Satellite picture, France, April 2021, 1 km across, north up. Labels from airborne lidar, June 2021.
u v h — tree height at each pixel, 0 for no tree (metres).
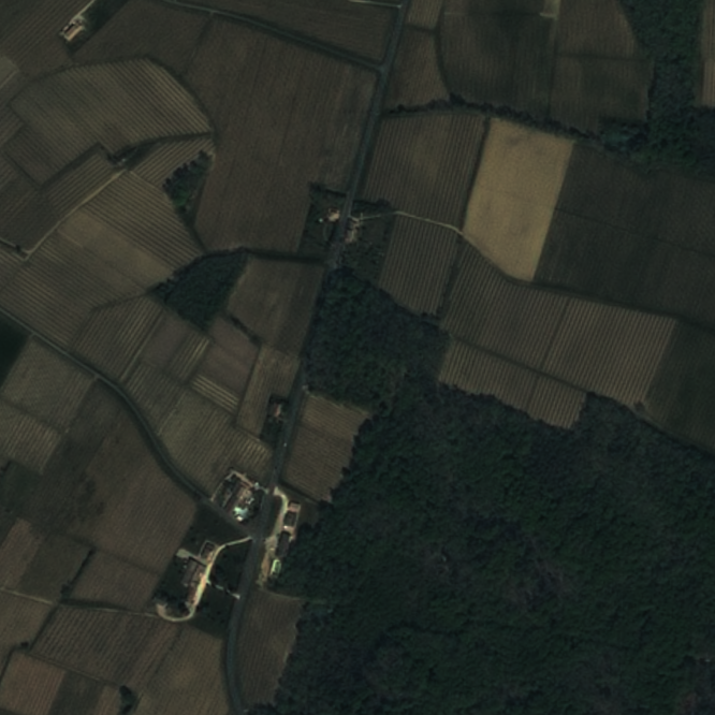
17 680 0
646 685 26
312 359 15
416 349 20
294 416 0
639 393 0
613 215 0
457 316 0
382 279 0
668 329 0
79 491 0
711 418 0
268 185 0
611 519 21
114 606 0
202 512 0
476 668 25
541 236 0
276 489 0
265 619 0
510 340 0
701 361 0
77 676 0
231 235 0
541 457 20
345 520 18
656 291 0
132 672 0
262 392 0
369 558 21
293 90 0
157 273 0
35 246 0
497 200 0
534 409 0
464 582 17
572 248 0
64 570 0
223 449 0
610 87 0
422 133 0
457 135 0
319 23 0
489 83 0
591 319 0
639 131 9
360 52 0
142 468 0
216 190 0
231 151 0
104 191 0
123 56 0
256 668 0
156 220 0
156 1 0
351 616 12
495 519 14
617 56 0
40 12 0
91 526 0
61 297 0
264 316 0
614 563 23
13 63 0
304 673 7
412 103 0
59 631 0
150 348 0
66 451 0
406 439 20
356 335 21
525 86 0
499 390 0
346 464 0
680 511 27
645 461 19
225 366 0
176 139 0
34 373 0
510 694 19
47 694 0
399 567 10
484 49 0
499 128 0
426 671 26
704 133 21
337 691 12
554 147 0
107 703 0
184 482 0
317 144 0
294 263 0
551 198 0
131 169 0
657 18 22
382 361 20
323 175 0
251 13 0
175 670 0
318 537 16
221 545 0
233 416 0
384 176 0
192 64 0
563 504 21
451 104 11
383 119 0
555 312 0
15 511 0
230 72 0
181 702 0
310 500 0
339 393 15
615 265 0
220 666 0
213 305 14
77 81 0
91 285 0
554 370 0
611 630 20
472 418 21
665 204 0
